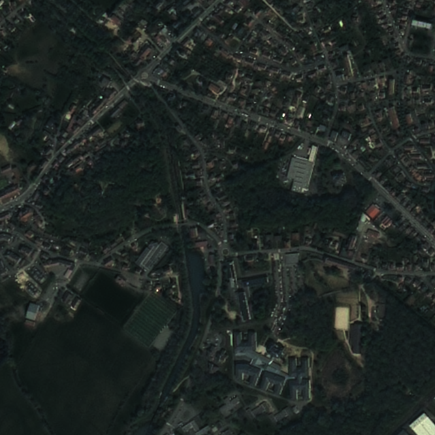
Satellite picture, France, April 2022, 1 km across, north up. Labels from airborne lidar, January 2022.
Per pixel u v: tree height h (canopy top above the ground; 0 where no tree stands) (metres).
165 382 9
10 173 0
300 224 19
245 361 0
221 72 6
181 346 15
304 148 0
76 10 19
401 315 28
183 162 6
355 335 0
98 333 0
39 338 0
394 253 0
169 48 0
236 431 0
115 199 21
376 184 0
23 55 0
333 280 0
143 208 11
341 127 12
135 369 0
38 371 0
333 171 0
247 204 24
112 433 0
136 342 0
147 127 8
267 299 19
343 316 0
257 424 10
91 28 15
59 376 0
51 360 0
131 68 8
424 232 0
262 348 0
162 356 14
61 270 0
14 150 0
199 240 0
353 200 30
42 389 0
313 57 6
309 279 0
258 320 14
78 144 0
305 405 0
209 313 0
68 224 0
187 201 8
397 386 25
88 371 0
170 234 17
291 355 0
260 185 21
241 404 0
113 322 0
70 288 13
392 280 0
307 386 0
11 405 0
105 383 0
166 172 16
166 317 0
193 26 0
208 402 0
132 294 0
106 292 0
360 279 13
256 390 0
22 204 0
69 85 9
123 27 10
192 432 0
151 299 0
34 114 8
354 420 31
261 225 20
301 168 0
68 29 17
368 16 6
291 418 0
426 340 26
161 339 0
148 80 0
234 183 23
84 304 0
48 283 0
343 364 0
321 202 22
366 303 0
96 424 0
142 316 0
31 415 0
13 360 17
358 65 0
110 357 0
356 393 0
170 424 0
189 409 0
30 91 6
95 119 0
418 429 0
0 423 0
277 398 0
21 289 0
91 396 0
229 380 18
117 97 0
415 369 27
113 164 16
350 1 8
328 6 6
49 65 0
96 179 15
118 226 30
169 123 25
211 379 23
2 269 0
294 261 0
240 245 19
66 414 0
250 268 9
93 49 17
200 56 10
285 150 8
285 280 0
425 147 14
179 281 0
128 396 6
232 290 0
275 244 0
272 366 0
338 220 29
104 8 0
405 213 0
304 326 26
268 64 0
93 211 18
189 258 0
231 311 0
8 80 15
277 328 0
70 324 0
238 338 0
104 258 0
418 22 0
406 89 9
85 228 23
